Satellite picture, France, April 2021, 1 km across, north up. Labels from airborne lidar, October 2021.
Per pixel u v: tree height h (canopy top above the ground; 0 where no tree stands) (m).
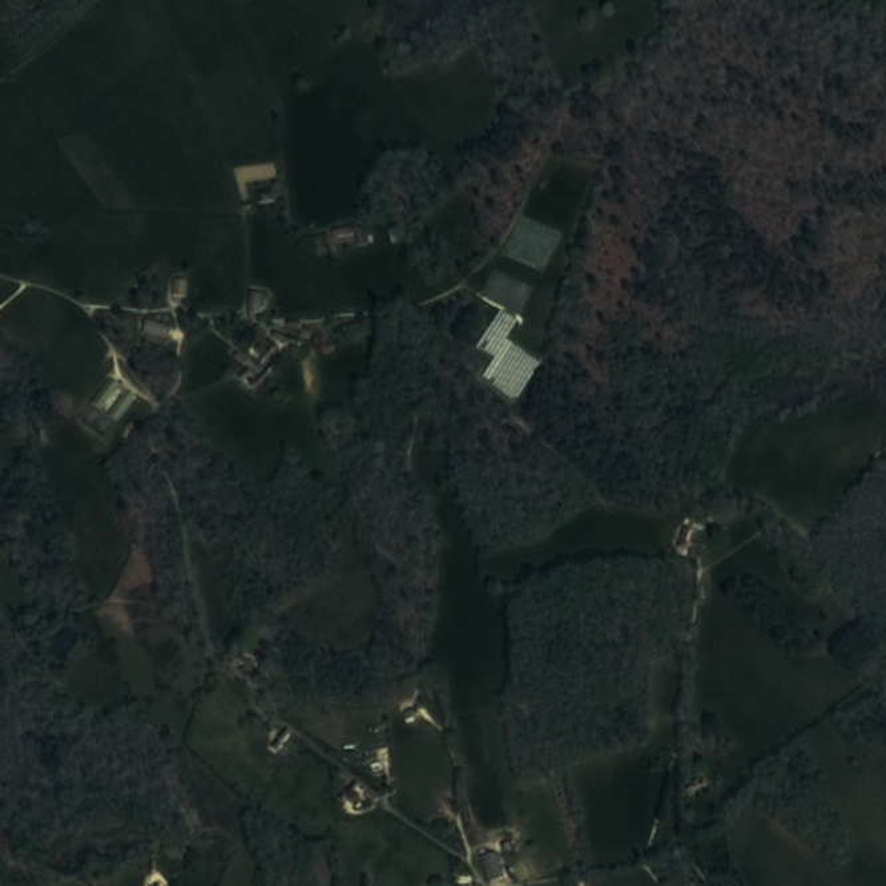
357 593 0
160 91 0
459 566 0
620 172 13
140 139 0
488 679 0
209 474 15
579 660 21
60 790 15
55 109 0
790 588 0
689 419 25
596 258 6
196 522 16
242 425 0
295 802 0
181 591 17
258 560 11
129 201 0
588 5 0
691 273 17
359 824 0
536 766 17
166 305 0
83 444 0
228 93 0
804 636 22
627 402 14
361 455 21
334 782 16
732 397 19
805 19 17
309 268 0
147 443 16
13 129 0
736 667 0
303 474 16
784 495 0
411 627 15
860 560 20
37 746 22
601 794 0
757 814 0
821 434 0
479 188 8
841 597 21
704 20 10
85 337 0
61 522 19
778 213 7
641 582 23
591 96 18
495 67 9
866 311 15
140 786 12
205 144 0
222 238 0
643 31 0
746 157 16
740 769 9
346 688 25
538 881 0
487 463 20
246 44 0
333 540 12
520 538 23
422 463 13
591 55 0
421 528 14
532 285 0
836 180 18
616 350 7
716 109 15
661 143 12
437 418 20
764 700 0
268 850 23
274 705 18
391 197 21
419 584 17
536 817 0
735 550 0
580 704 20
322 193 0
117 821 16
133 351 7
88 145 0
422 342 18
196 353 0
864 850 0
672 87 15
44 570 11
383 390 21
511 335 0
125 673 0
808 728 9
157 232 0
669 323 11
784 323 15
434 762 0
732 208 8
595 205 13
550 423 20
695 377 18
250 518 13
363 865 0
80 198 0
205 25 0
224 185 0
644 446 8
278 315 9
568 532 0
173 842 19
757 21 13
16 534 23
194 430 16
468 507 17
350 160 0
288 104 0
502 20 10
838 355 15
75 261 0
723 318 13
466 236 0
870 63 14
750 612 16
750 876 0
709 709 0
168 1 0
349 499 14
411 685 22
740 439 13
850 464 0
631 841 0
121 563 0
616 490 16
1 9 11
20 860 22
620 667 16
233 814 0
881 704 19
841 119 7
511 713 19
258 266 0
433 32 18
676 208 12
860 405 0
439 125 0
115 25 0
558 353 11
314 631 0
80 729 19
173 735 12
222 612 0
